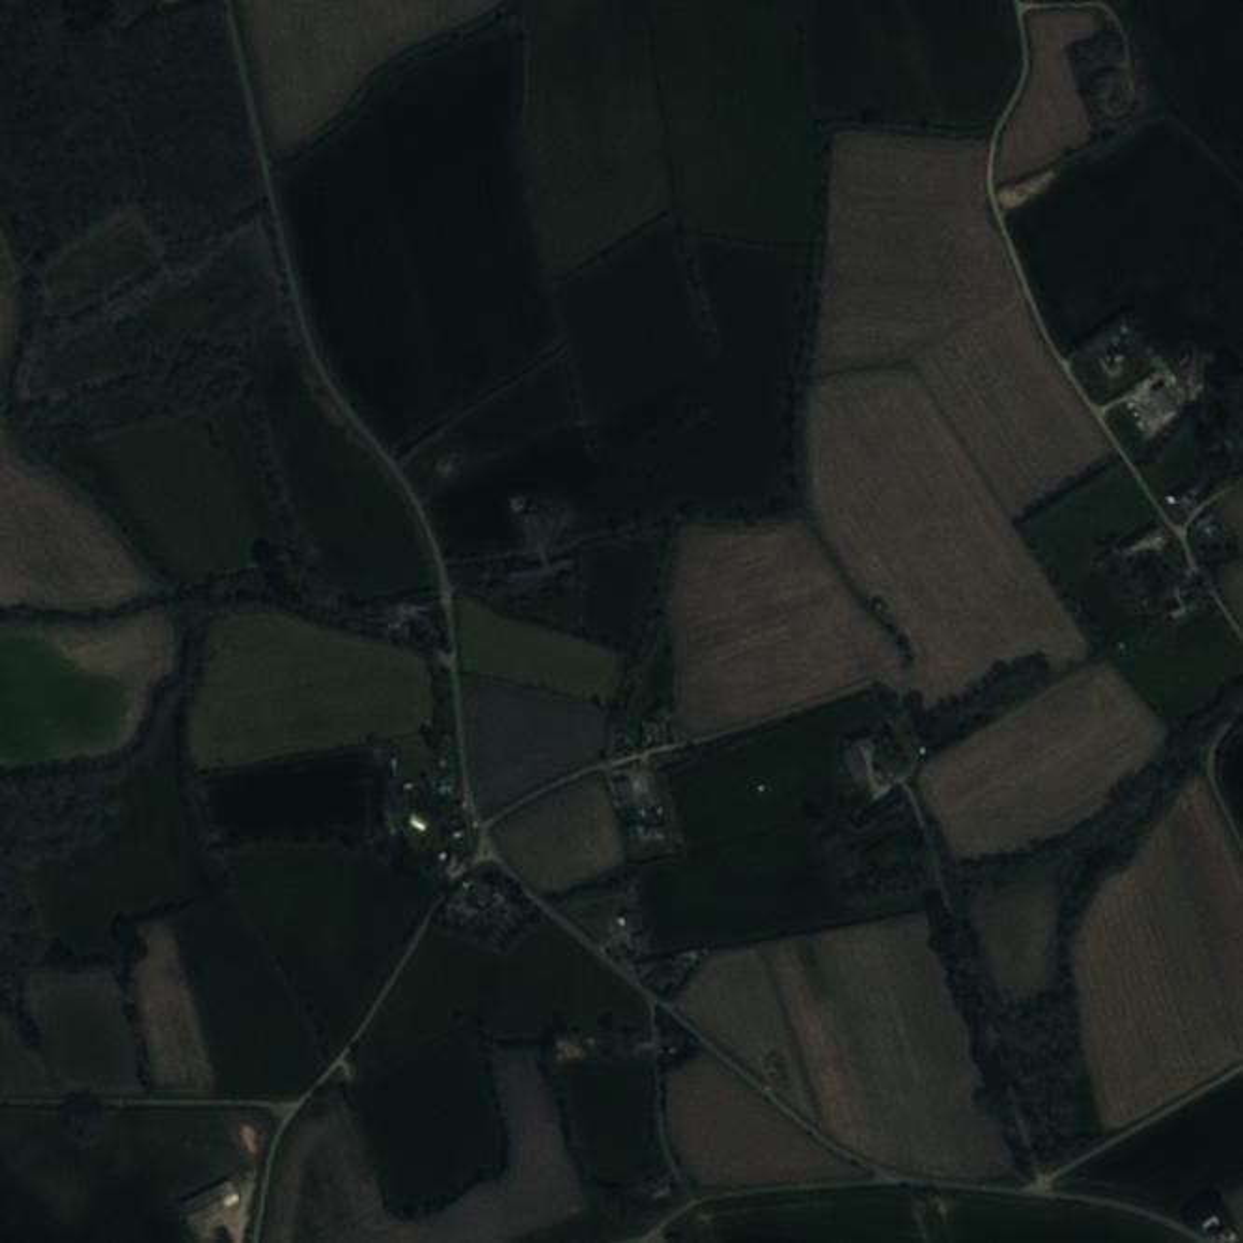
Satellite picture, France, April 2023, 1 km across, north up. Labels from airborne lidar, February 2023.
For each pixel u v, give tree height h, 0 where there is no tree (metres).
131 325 8
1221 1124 0
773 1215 0
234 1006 0
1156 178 0
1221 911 0
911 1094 0
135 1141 0
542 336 0
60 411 8
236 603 14
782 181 0
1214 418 19
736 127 0
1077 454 0
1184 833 0
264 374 0
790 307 0
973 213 0
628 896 0
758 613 0
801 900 0
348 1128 0
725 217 0
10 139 14
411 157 0
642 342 0
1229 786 0
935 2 0
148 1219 0
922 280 0
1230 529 0
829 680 0
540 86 0
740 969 0
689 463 0
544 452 0
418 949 0
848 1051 0
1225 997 0
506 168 0
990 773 0
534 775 0
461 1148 0
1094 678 0
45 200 13
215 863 9
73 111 12
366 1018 0
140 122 15
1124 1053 0
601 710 13
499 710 0
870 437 0
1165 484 0
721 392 0
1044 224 0
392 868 13
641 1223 10
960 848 0
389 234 0
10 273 0
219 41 14
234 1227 0
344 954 0
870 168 0
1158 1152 0
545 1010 0
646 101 0
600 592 0
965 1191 0
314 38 0
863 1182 0
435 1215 11
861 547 0
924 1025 0
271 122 0
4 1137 0
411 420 0
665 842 0
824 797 0
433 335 0
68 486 0
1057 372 0
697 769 0
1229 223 0
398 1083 0
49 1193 0
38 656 0
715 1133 0
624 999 0
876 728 0
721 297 0
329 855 0
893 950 0
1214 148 0
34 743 0
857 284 0
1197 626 0
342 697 0
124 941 23
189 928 0
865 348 0
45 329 8
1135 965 0
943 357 0
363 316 0
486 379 0
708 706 0
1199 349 0
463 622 0
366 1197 0
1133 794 20
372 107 0
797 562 0
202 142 15
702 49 0
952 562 0
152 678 0
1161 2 0
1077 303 0
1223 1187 0
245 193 15
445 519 0
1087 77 0
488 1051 10
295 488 0
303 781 0
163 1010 0
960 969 19
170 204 15
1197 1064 0
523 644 0
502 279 0
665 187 0
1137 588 11
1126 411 0
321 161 0
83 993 0
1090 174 0
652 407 0
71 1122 18
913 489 0
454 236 0
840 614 0
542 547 0
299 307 0
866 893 18
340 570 0
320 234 0
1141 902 0
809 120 0
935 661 0
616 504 0
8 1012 11
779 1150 0
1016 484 0
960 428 0
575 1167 9
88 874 0
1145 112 0
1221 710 8
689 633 0
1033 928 0
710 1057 0
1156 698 0
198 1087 0
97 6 12
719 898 0
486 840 0
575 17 0
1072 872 14
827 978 0
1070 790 0
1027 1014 16
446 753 0
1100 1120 0
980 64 0
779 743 0
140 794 0
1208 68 0
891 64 0
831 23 0
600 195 0
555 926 0
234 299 0
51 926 0
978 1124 0
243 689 0
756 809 0
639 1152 0
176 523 0
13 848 29
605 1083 0
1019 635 0
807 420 0
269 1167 0
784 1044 0
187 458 0
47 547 0
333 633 8
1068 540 0
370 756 0
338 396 0
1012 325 0
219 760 0
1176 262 0
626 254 0
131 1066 0
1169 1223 0
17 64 12
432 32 0
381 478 0
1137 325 8
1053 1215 0
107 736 0
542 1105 0
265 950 0
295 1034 0
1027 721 0
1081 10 0
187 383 7
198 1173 0
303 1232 0
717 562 0
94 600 0
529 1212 0
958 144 0
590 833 0
